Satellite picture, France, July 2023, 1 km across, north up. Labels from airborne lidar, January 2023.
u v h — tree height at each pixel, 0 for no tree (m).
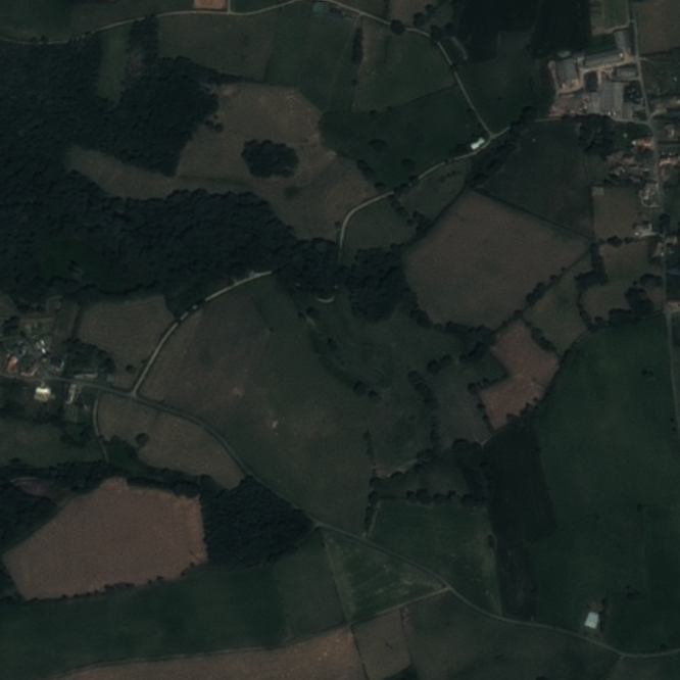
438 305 0
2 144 23
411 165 16
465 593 0
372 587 0
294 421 0
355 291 18
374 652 0
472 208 0
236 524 22
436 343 0
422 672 0
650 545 0
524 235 0
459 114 0
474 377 0
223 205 27
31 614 0
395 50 0
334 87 0
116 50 0
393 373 0
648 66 0
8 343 0
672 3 0
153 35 10
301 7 0
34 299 15
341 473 0
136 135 24
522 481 0
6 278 23
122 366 0
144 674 0
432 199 0
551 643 0
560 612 0
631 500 0
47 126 20
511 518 0
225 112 0
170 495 0
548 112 0
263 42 0
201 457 0
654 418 0
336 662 0
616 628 0
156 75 14
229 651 0
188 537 0
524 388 0
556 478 0
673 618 0
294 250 26
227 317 0
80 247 0
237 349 0
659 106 0
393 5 0
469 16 0
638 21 0
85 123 19
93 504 0
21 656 0
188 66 14
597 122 15
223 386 0
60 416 8
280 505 17
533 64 0
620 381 0
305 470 0
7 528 10
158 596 0
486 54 0
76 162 0
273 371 0
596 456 0
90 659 0
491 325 0
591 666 0
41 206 14
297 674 0
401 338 0
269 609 0
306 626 0
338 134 0
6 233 20
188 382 0
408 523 0
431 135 0
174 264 11
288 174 13
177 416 0
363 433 0
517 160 0
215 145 0
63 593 0
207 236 29
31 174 25
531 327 16
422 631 0
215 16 0
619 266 0
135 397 0
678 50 6
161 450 0
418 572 0
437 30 17
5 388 0
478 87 0
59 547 0
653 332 0
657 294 0
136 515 0
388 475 0
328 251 22
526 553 0
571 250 0
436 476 0
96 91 12
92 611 0
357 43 12
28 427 0
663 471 0
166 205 21
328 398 0
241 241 22
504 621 0
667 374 0
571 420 0
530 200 0
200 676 0
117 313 0
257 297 0
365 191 0
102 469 20
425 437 0
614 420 0
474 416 0
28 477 10
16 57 8
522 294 0
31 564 0
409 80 0
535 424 8
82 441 6
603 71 0
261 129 0
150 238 15
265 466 0
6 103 16
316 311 17
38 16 0
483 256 0
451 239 0
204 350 0
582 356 9
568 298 0
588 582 0
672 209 0
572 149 0
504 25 0
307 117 0
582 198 0
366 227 0
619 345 0
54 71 10
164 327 0
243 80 6
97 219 33
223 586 0
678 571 0
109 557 0
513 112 0
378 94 0
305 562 0
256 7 0
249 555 16
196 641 0
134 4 0
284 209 0
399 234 0
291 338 0
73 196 28
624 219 0
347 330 0
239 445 0
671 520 0
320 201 0
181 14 0
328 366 0
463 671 0
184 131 10
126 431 0
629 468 0
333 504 0
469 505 17
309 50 0
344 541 0
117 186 0
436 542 0
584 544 0
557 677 0
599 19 0
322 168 0
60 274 0
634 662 0
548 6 0
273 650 0
